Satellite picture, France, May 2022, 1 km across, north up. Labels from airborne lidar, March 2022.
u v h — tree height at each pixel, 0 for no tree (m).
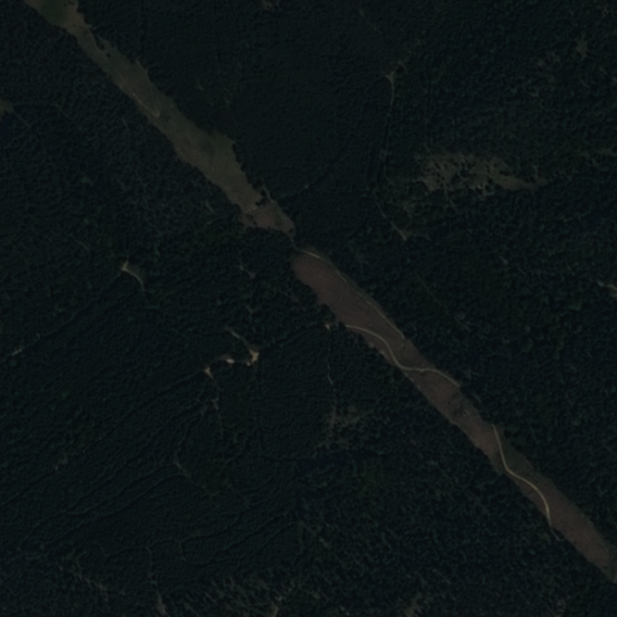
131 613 14
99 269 22
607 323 22
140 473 7
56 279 19
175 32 17
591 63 15
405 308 18
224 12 18
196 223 25
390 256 24
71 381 18
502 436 0
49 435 17
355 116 29
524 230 11
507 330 21
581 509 19
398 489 28
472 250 23
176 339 20
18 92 26
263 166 14
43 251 20
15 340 19
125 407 12
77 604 19
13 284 22
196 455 13
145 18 16
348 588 10
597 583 11
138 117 21
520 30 18
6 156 33
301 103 15
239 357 17
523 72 8
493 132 15
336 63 30
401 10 17
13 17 20
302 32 29
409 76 7
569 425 30
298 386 14
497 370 30
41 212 18
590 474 26
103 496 12
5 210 26
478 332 26
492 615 28
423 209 10
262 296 14
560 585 32
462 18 6
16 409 12
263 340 16
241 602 0
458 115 24
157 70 18
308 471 31
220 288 19
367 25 22
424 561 30
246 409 11
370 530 35
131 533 8
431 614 19
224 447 23
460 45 11
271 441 13
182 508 12
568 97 10
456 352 13
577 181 12
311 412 13
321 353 11
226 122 17
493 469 16
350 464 31
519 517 32
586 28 7
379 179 18
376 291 17
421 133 9
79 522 12
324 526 16
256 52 16
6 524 12
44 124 27
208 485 15
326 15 24
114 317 21
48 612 21
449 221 12
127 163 25
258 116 14
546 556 35
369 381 14
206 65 16
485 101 20
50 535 9
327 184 23
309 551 11
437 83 9
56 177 24
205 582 11
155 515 12
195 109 14
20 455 12
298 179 17
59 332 22
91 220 20
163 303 21
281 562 10
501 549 30
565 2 20
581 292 24
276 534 8
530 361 34
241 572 10
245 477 12
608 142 19
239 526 15
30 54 25
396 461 23
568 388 23
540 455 18
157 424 11
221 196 17
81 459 11
